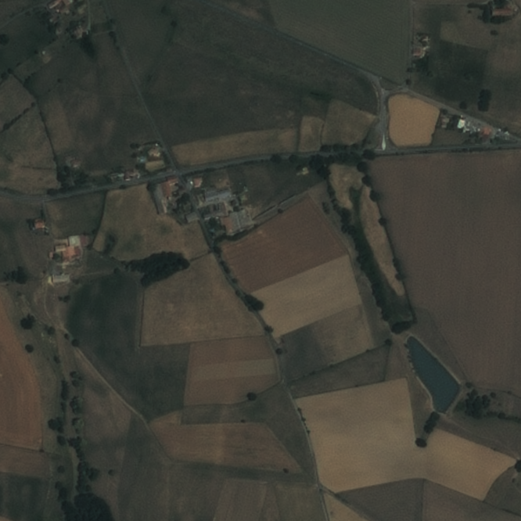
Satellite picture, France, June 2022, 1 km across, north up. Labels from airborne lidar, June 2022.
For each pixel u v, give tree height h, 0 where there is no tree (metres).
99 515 13
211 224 9
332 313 0
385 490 0
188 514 0
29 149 0
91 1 0
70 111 0
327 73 0
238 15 0
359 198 0
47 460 0
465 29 0
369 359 0
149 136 0
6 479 0
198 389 0
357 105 0
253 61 0
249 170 0
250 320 0
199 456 0
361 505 0
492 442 0
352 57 0
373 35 0
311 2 0
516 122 0
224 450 0
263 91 0
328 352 0
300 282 0
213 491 0
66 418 0
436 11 0
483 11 6
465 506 0
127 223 0
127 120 0
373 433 0
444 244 0
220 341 0
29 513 0
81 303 0
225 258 0
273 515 0
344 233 10
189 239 0
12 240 0
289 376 0
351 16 0
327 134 0
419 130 0
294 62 0
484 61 0
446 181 0
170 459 0
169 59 0
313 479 0
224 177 0
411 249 0
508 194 0
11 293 0
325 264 0
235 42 0
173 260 16
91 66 0
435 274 0
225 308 0
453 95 0
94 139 0
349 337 0
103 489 0
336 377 0
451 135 0
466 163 0
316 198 0
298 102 0
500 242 0
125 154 0
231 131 0
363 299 0
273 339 0
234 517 0
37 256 0
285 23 0
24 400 0
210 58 0
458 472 0
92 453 0
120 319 0
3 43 14
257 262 0
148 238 0
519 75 0
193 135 0
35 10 6
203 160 0
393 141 0
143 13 0
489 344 0
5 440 0
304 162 0
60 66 0
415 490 0
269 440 0
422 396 0
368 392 0
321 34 0
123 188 11
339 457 0
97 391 0
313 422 0
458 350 0
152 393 0
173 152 0
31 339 0
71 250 0
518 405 0
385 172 0
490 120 0
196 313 0
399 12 0
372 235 0
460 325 0
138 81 0
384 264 0
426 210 0
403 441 0
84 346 0
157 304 0
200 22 0
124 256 0
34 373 0
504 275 0
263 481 0
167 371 0
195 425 0
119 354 0
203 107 0
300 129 0
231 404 0
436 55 0
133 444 0
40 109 0
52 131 0
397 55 0
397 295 0
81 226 0
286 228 0
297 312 0
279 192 0
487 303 0
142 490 0
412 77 0
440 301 0
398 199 0
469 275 0
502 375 0
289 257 0
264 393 0
